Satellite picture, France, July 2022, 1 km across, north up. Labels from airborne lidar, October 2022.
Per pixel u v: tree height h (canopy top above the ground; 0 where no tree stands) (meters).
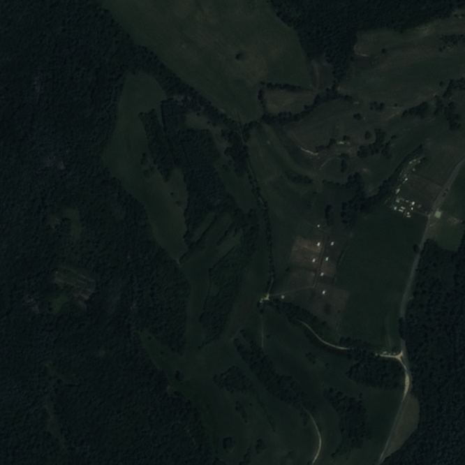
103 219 10
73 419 14
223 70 0
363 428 10
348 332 0
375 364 14
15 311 18
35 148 26
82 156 8
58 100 20
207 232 8
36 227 11
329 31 18
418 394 6
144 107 0
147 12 0
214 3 0
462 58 0
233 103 0
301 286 0
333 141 11
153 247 19
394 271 0
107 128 26
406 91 0
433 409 23
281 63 0
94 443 18
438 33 0
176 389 0
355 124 0
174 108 18
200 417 26
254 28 0
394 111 0
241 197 0
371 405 0
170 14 0
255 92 0
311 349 0
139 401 13
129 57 9
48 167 24
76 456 7
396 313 0
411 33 0
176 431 13
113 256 7
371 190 0
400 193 0
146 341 0
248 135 10
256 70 0
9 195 11
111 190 11
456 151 0
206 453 20
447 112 7
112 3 0
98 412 16
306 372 0
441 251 8
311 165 0
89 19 19
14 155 16
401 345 0
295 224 0
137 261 16
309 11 12
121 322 16
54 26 23
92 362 10
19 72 15
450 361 7
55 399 18
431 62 0
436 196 0
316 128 0
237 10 0
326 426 0
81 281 0
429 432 20
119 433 6
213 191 14
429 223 0
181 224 0
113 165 0
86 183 13
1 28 7
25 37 9
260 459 0
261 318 0
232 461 0
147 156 14
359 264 0
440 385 9
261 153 0
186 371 0
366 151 11
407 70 0
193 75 0
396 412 0
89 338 11
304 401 12
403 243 0
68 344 11
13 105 20
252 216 13
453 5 27
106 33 24
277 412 0
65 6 18
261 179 0
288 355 0
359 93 0
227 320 10
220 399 0
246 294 0
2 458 16
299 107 0
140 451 20
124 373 11
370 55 0
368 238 0
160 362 0
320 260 0
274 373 6
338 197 0
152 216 0
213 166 14
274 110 0
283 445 0
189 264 0
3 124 14
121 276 8
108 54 10
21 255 9
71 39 16
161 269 8
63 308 6
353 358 17
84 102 14
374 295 0
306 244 0
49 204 18
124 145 0
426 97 0
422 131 0
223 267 7
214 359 0
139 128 0
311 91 0
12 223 9
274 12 0
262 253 0
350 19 13
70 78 9
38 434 14
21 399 31
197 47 0
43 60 17
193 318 0
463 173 0
